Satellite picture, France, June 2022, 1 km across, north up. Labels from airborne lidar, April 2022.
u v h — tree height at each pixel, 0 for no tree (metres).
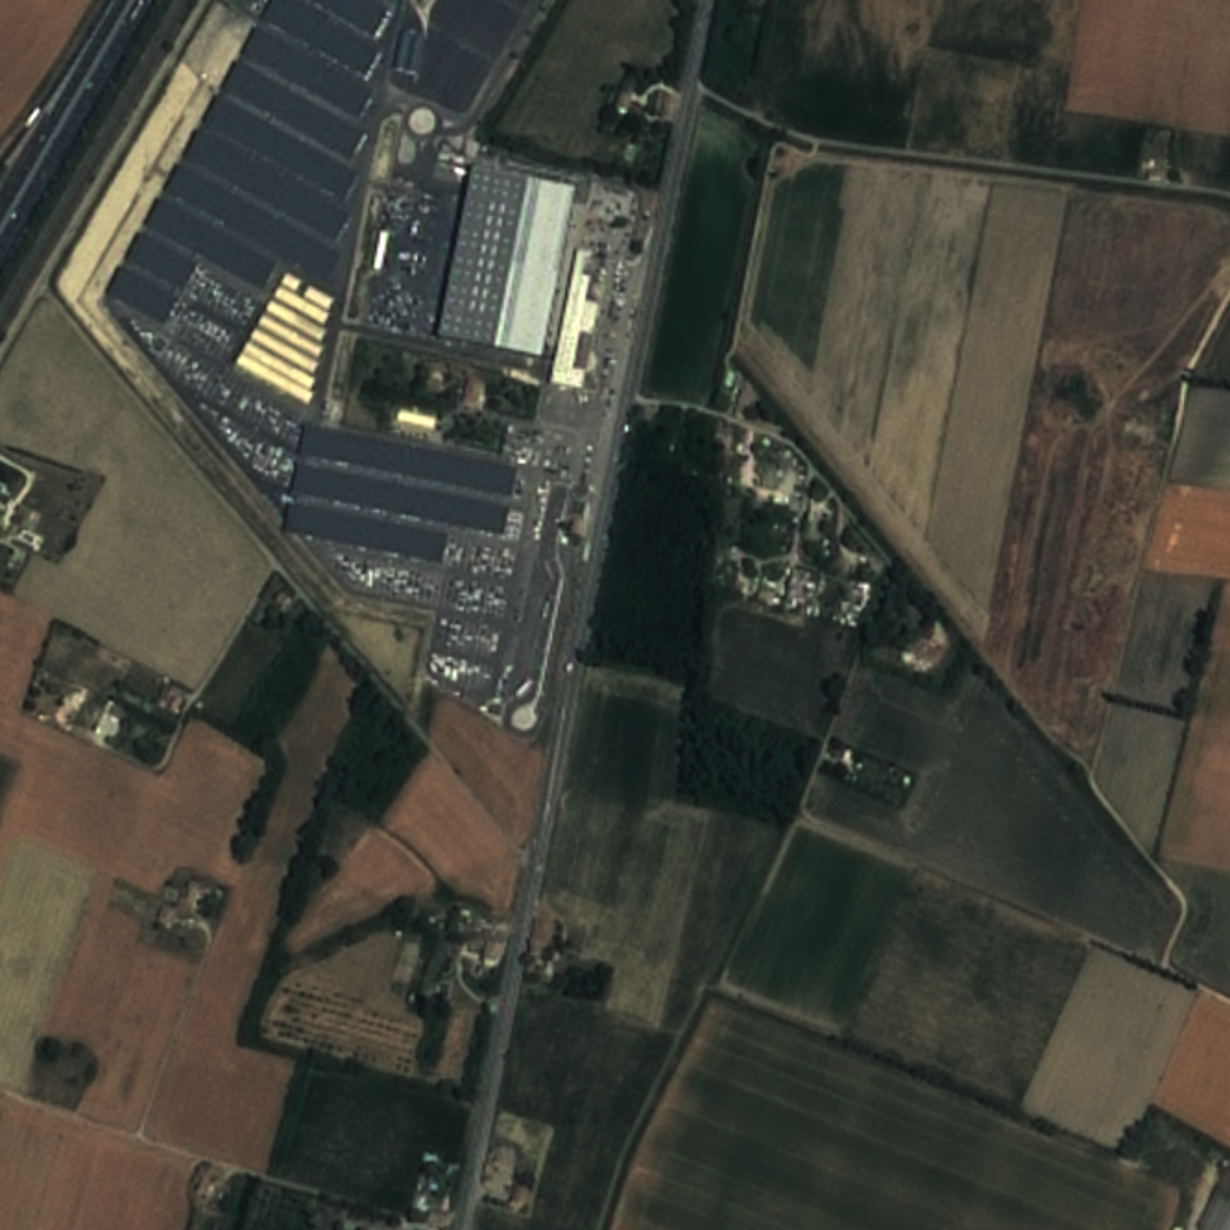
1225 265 0
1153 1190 0
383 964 0
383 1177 0
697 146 0
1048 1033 0
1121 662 0
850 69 0
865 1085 0
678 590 13
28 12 0
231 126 0
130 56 8
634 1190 0
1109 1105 0
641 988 0
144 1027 0
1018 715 16
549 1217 0
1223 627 0
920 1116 0
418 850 0
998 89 0
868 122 0
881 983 0
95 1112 0
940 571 0
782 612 6
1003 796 0
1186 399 0
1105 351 0
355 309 0
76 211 0
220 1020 0
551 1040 0
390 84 0
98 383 0
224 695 0
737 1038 0
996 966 0
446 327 0
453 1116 0
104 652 0
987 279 0
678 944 0
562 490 0
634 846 0
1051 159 0
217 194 0
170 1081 0
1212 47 0
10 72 0
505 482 0
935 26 0
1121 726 0
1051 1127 13
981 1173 0
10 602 0
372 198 0
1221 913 0
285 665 6
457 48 0
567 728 0
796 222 0
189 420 0
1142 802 0
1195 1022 0
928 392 0
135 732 0
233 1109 0
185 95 0
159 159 0
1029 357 0
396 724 20
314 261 0
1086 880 0
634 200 0
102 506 0
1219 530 0
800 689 0
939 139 0
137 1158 0
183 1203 0
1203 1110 0
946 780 0
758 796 25
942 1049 0
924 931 0
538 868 0
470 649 0
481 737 0
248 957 0
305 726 0
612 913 0
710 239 0
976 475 0
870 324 0
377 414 0
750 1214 0
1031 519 0
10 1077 0
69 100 0
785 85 0
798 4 0
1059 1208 0
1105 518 0
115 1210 0
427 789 0
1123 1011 0
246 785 0
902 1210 0
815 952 0
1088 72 0
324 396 0
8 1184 0
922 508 0
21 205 0
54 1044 12
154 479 0
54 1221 0
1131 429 0
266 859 0
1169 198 0
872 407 0
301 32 0
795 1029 0
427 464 0
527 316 0
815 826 0
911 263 0
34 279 0
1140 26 0
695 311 0
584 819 0
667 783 0
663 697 0
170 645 0
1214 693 0
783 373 0
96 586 0
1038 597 0
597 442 0
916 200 0
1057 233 0
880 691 0
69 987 0
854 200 0
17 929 0
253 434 0
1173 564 0
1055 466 0
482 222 0
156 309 0
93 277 0
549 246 0
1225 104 0
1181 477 0
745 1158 0
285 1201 25
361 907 0
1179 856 0
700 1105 0
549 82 0
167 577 0
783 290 0
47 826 0
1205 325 0
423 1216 12
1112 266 0
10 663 0
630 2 0
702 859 0
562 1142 0
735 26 8
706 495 15
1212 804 0
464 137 0
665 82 11
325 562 0
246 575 0
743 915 0
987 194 0
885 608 16
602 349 0
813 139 0
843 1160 0
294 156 0
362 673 16
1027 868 0
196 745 0
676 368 0
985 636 0
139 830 0
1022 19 0
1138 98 0
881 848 0
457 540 0
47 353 0
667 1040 0
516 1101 0
